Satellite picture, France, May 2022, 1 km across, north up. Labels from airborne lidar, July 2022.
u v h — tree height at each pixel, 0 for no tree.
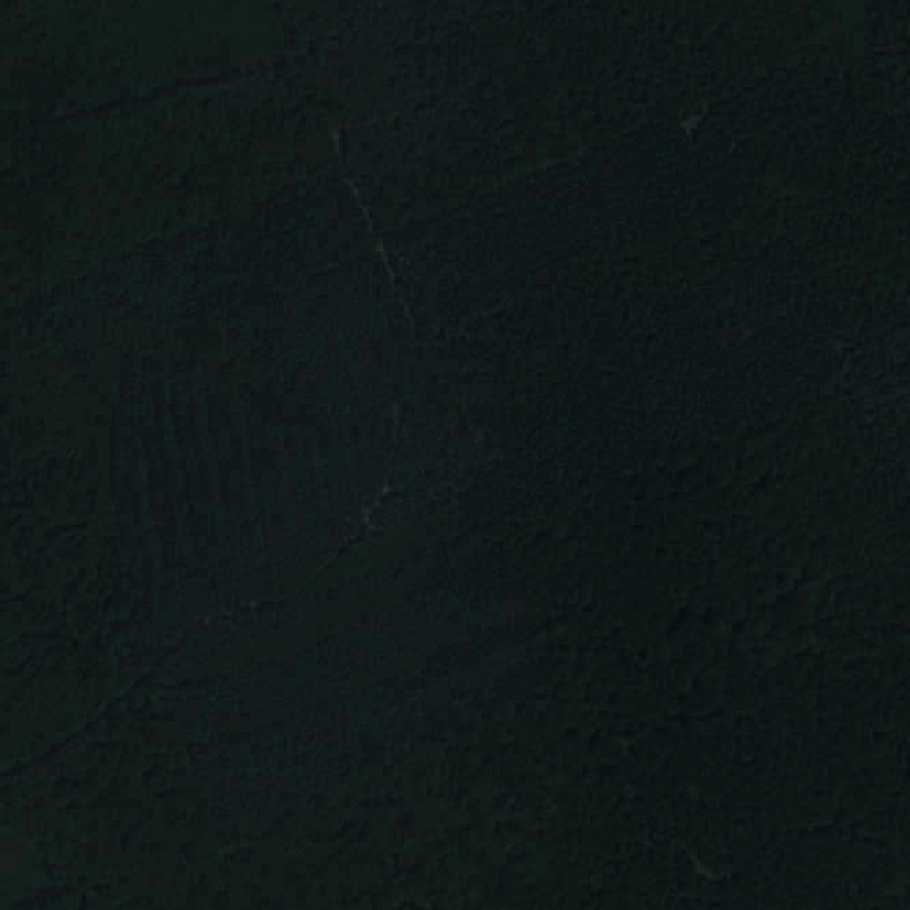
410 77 22
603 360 13
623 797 27
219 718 22
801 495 24
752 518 27
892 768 21
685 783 27
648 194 16
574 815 27
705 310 21
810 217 20
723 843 26
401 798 30
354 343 21
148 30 6
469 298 19
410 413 18
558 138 20
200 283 19
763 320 19
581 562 27
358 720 19
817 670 27
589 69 22
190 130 20
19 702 23
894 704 27
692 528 28
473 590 18
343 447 16
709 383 21
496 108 20
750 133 18
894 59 20
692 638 24
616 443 25
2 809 23
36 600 27
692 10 12
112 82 9
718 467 28
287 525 12
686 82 16
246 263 21
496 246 22
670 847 25
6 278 27
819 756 27
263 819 26
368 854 28
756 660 24
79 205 27
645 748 25
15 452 29
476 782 27
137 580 21
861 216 19
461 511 11
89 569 28
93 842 29
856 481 18
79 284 20
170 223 22
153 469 21
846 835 26
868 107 19
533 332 17
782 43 15
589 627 23
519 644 21
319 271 14
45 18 6
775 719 23
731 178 17
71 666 24
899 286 8
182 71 7
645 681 26
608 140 15
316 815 25
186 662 15
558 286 15
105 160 23
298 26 14
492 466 12
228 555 13
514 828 23
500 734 28
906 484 22
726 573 24
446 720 21
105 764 22
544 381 20
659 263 19
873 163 18
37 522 22
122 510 22
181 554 20
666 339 21
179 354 10
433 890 23
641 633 28
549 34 19
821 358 21
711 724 24
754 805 26
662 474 29
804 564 21
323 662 20
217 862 24
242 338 18
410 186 23
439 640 13
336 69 22
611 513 25
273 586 12
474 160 20
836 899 27
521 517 22
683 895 26
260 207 20
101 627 32
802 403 21
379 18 22
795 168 22
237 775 20
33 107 16
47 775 20
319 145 20
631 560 26
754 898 23
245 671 15
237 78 24
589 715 28
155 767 26
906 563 26
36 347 26
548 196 17
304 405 15
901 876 24
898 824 22
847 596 28
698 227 15
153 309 19
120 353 12
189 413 20
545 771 27
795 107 17
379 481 19
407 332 21
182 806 27
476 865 27
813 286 22
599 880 27
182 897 26
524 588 28
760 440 27
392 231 20
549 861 27
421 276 22
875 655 24
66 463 14
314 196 18
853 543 22
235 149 22
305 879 25
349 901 25
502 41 19
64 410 16
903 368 13
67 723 20
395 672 14
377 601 13
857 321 16
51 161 21
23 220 28
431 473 18
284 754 15
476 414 18
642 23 16
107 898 25
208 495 23
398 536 10
